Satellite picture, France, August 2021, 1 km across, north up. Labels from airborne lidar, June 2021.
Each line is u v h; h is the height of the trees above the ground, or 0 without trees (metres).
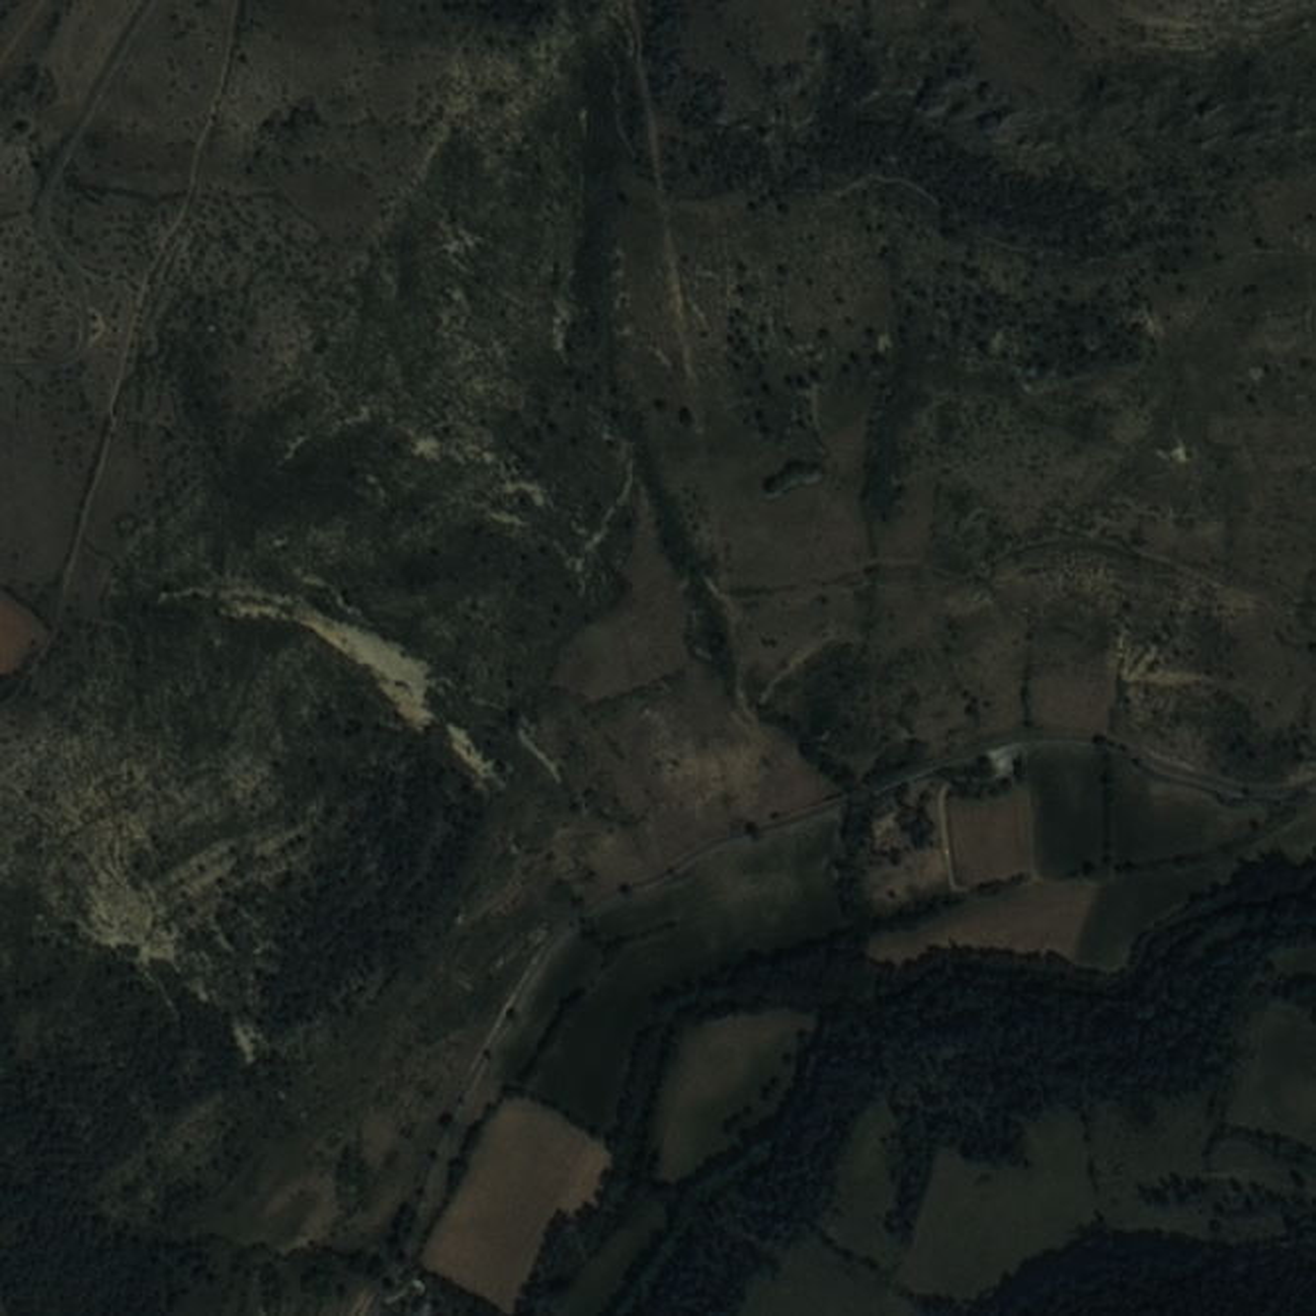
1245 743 12
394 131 0
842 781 12
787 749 0
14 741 0
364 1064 0
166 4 0
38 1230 19
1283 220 0
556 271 7
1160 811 0
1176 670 0
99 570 0
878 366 15
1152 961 14
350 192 0
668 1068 15
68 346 0
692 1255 15
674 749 0
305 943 11
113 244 0
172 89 0
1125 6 0
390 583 7
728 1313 12
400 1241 11
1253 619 0
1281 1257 11
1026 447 0
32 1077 8
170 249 0
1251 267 0
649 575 0
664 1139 0
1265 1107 0
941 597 0
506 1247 0
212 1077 7
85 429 0
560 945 0
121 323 0
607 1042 0
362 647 0
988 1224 0
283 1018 9
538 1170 0
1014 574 0
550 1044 8
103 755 0
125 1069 11
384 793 11
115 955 10
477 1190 0
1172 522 0
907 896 0
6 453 0
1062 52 0
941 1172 0
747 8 0
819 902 0
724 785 0
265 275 0
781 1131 16
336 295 0
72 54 0
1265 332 0
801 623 0
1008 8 0
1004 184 10
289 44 0
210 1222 0
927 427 0
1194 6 0
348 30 0
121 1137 12
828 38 8
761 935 0
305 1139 0
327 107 0
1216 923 9
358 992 8
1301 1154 12
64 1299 14
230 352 0
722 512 0
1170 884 0
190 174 0
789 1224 10
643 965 0
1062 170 6
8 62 0
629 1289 10
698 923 0
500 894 0
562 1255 21
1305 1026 0
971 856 0
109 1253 17
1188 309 0
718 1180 13
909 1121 6
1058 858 0
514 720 13
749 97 0
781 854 0
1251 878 16
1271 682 0
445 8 8
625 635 0
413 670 0
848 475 0
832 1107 19
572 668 0
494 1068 0
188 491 0
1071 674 0
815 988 27
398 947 10
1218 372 0
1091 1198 0
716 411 0
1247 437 0
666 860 0
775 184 8
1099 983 9
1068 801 0
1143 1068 20
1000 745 0
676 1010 22
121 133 0
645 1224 0
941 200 8
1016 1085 11
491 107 0
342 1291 8
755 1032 0
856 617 0
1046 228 9
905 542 0
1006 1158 12
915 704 7
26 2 0
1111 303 6
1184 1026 14
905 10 0
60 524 0
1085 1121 8
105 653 0
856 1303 0
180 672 0
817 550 0
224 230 0
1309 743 9
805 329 0
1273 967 10
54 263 0
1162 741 0
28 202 0
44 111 0
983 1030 14
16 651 0
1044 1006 12
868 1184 0
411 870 11
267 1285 6
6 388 0
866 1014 9
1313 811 0
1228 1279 22
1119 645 0
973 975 23
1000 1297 9
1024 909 0
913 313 12
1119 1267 21
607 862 0
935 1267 0
